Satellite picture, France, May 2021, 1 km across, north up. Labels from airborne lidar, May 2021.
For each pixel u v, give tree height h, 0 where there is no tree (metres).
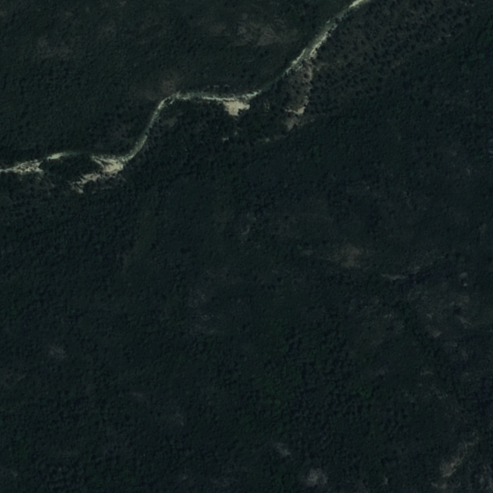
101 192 13
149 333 11
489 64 6
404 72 9
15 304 11
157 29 10
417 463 10
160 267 6
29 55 6
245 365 6
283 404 8
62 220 7
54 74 30
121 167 0
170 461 8
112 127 27
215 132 20
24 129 31
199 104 9
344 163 7
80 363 6
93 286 10
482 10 6
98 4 6
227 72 6
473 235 6
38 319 7
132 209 14
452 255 6
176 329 8
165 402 6
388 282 8
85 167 12
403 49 24
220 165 16
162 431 9
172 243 6
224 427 9
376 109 8
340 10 8
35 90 6
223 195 8
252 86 8
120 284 7
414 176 6
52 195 9
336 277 16
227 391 8
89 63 7
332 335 21
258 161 6
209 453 11
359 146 9
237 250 6
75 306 7
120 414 7
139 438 7
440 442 11
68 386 6
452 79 6
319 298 6
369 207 6
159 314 13
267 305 6
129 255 16
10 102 12
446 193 7
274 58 11
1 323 10
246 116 8
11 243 11
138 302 7
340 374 25
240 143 25
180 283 11
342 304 6
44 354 5
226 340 8
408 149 6
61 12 7
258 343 6
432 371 9
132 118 8
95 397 6
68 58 7
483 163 12
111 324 6
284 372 11
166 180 13
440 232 6
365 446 7
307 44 11
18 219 6
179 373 7
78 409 22
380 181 14
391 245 11
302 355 27
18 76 9
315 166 8
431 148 7
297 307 7
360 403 21
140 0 8
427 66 8
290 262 7
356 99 7
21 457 11
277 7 8
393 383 7
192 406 11
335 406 27
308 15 14
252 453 7
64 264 13
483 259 6
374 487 8
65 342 10
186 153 19
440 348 8
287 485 22
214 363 13
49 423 11
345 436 13
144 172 17
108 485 8
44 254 18
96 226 16
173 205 6
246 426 13
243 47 9
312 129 12
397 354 5
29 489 8
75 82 15
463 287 7
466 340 6
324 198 6
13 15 9
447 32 27
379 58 24
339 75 17
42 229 8
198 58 8
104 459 14
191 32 9
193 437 8
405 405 7
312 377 26
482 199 7
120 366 8
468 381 10
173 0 6
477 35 11
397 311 9
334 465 7
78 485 27
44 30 10
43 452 9
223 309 6
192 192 5
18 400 11
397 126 8
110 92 15
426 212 6
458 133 8
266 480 9
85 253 6
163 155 14
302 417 14
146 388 8
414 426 7
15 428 6
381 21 25
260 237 23
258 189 9
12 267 18
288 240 7
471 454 8
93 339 9
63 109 13
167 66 9
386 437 10
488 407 20
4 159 12
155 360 11
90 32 10
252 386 7
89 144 27
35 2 7
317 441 12
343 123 9
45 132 10
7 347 7
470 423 10
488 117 6
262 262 7
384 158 8
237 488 10
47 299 18
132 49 9
